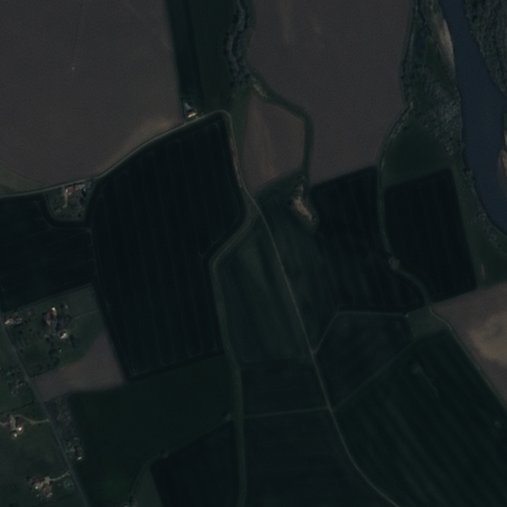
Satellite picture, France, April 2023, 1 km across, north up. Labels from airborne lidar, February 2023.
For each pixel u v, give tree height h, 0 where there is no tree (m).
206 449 0
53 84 0
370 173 0
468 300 0
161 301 0
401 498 0
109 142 0
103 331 0
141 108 0
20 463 0
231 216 0
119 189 0
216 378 0
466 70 0
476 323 0
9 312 0
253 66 0
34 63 0
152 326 0
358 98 0
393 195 0
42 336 12
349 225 0
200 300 0
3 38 0
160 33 0
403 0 0
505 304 0
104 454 0
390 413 0
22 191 0
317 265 0
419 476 0
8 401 0
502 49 19
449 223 0
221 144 0
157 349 0
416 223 0
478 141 0
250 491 0
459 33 0
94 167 0
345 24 0
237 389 0
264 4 0
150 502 0
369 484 0
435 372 0
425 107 0
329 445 0
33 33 0
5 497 0
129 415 0
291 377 0
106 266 0
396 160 0
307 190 0
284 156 0
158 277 0
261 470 0
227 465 0
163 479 0
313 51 0
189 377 0
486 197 0
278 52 0
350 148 0
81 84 0
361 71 0
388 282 0
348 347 0
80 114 0
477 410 0
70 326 22
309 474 0
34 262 0
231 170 0
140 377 0
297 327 0
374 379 0
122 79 0
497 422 0
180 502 0
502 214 0
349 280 0
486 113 0
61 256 0
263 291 0
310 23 0
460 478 0
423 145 0
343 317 0
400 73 0
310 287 0
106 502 0
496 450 0
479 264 0
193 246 0
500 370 0
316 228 0
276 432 0
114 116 0
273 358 0
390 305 0
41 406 0
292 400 0
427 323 0
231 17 0
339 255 0
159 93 0
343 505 0
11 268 0
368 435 0
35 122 0
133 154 0
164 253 0
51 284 0
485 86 0
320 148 0
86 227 0
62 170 0
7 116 0
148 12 0
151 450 0
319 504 0
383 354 0
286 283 0
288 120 0
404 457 0
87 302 0
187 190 0
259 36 0
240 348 0
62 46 0
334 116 0
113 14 0
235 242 0
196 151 0
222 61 0
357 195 0
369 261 0
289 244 0
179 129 0
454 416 0
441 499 0
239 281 0
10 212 0
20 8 0
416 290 0
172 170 0
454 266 0
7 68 0
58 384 0
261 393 0
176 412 0
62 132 0
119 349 0
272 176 0
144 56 0
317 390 0
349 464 0
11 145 0
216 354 0
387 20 0
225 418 13
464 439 0
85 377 0
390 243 0
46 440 0
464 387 0
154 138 0
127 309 0
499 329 0
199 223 0
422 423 0
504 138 0
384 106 0
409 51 6
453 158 0
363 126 0
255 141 0
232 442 0
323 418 0
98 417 0
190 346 0
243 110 0
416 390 0
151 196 0
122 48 0
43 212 0
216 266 0
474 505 0
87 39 0
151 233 0
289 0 0
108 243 0
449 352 0
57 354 12
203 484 0
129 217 0
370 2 0
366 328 0
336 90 0
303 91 0
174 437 0
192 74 0
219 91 0
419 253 0
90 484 0
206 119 0
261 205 0
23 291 0
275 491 0
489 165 0
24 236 0
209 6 0
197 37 0
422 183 0
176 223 0
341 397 0
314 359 0
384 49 0
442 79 0
